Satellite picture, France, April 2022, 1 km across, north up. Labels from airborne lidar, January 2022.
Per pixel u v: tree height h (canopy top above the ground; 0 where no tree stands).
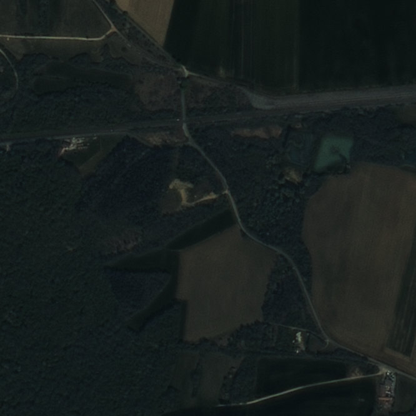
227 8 0
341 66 0
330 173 11
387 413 0
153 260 0
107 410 20
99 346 23
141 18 0
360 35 0
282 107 0
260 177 17
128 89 0
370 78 0
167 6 0
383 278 0
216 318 0
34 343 14
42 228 18
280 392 0
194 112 11
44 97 10
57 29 0
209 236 0
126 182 19
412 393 0
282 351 13
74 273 19
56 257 11
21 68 9
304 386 0
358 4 0
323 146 0
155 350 11
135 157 25
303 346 0
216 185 12
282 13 0
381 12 0
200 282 0
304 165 0
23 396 24
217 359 0
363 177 0
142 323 0
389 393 0
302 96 0
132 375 21
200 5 0
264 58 0
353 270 0
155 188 19
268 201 15
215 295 0
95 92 15
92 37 0
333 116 7
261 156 15
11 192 23
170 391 15
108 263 14
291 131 21
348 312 0
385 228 0
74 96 15
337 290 0
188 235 0
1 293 21
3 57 9
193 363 0
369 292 0
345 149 0
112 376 22
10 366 21
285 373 0
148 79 0
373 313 0
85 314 19
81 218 17
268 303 9
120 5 0
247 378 20
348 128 24
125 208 21
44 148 20
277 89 0
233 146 24
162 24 0
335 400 0
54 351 23
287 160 0
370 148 17
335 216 0
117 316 22
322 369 0
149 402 19
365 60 0
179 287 0
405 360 0
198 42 0
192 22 0
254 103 0
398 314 0
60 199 20
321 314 0
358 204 0
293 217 11
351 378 0
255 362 9
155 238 9
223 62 0
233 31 0
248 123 6
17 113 17
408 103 0
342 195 0
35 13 0
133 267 0
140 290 15
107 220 19
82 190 20
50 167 26
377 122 22
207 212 20
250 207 9
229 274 0
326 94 0
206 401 0
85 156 0
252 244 0
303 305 8
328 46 0
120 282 21
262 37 0
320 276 0
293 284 16
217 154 23
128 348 25
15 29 0
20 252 24
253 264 0
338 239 0
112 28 0
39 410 18
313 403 0
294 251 14
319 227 0
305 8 0
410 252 0
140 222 19
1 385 24
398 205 0
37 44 0
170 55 0
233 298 0
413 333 0
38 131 8
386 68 0
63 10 0
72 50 0
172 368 13
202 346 18
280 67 0
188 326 0
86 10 0
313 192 13
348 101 0
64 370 23
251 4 0
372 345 0
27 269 18
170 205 0
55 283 21
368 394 0
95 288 21
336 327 0
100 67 6
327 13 0
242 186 11
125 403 20
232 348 9
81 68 8
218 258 0
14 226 20
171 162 22
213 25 0
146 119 12
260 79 0
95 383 22
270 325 14
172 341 19
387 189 0
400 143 6
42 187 21
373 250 0
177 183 0
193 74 0
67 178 23
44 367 21
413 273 0
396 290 0
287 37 0
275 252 0
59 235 16
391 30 0
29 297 20
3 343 18
